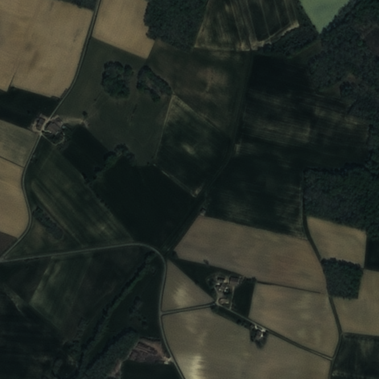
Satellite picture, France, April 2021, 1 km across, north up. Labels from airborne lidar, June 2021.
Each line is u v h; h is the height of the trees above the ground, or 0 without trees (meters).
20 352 0
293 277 0
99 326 15
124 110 0
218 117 0
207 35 0
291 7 0
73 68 0
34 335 0
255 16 0
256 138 0
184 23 20
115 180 0
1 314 0
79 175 0
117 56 0
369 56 14
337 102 0
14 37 0
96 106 0
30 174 0
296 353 0
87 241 0
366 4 15
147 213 0
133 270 0
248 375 0
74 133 0
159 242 0
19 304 0
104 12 0
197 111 0
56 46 0
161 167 0
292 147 0
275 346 0
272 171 0
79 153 0
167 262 0
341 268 22
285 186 0
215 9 0
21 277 0
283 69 0
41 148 0
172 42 12
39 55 0
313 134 0
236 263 0
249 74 0
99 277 0
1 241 0
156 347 0
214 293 16
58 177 0
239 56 0
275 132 0
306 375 0
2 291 0
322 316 0
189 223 0
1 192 0
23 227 0
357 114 17
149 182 0
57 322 0
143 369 0
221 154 0
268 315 0
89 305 0
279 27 0
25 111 0
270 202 0
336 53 17
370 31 8
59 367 15
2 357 0
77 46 0
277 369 0
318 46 0
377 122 16
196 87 0
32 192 0
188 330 0
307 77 0
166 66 0
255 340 6
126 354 13
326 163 0
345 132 0
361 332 0
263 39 0
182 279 0
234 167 0
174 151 0
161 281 0
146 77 21
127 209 0
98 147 0
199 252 0
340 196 16
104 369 19
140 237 0
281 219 0
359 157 0
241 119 0
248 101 0
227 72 0
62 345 0
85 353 21
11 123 0
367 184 22
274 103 0
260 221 0
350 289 20
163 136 0
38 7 0
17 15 0
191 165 0
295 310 0
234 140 0
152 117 0
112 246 0
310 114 0
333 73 18
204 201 0
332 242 0
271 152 0
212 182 0
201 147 0
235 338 0
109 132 0
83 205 0
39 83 0
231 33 0
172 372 0
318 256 0
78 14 0
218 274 0
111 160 18
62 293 0
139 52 0
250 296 0
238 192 0
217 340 0
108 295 0
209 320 0
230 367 0
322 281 0
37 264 0
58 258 0
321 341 0
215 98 0
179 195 0
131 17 0
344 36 23
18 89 0
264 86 0
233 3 0
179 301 0
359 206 24
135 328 0
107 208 15
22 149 0
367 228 18
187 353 0
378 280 0
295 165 0
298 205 0
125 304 0
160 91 15
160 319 0
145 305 0
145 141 0
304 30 7
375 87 21
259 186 0
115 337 0
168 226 0
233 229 0
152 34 15
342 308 0
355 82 0
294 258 0
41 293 0
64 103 0
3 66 0
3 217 0
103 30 0
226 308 12
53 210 0
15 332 0
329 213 19
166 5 22
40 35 0
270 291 0
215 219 0
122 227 0
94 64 0
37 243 0
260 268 0
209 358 0
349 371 0
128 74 19
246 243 0
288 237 0
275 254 0
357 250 0
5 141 0
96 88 0
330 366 0
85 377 22
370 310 0
